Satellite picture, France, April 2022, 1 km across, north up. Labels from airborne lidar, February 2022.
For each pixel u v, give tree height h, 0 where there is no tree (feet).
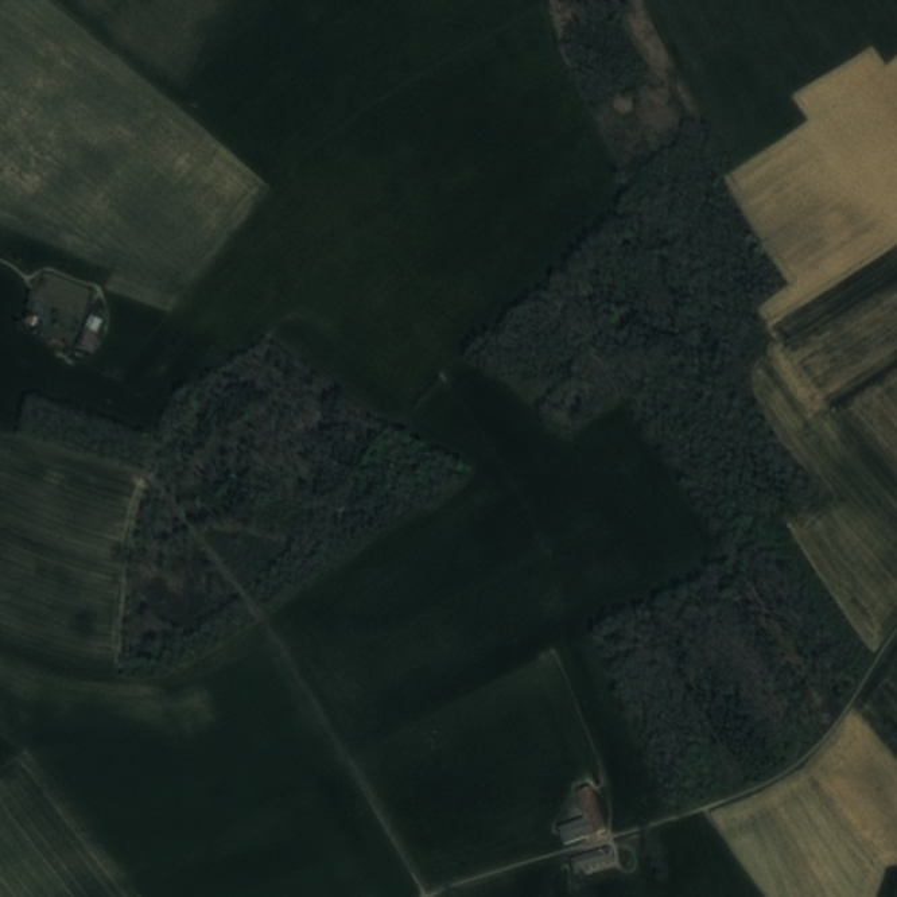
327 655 0
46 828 0
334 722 0
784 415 0
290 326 0
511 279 0
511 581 0
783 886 0
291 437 63
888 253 0
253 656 0
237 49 0
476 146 0
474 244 0
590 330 66
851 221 0
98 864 0
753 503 65
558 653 0
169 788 0
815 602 29
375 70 0
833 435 0
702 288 49
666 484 0
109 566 0
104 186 0
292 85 0
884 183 0
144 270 0
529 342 70
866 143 0
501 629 0
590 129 0
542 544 0
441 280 0
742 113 0
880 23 0
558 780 0
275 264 0
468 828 0
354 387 0
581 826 0
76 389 0
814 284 0
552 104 0
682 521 0
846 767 0
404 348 0
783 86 0
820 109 0
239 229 0
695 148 47
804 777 0
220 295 0
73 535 0
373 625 0
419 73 0
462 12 0
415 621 0
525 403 0
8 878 0
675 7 0
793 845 0
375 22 0
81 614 0
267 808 0
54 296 0
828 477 0
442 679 0
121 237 0
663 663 101
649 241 44
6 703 0
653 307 60
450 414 0
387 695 0
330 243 0
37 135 0
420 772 0
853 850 0
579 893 0
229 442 73
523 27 0
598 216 0
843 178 0
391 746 0
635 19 0
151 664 54
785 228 0
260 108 0
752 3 0
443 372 0
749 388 35
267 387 47
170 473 53
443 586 0
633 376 87
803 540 0
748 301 60
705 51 0
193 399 51
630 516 0
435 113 0
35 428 59
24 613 0
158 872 0
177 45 0
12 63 0
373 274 0
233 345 0
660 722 93
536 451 0
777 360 0
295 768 0
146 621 68
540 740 0
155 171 0
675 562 0
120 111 0
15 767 0
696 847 0
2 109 0
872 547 0
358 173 0
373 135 0
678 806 64
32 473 0
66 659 0
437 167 0
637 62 38
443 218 0
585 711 0
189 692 0
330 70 0
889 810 0
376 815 0
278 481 51
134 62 0
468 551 0
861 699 0
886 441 0
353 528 41
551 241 0
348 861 0
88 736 0
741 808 0
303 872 0
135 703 0
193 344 0
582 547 0
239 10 0
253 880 0
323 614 0
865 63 0
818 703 81
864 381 0
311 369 65
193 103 0
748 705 88
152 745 0
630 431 0
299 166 0
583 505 0
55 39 0
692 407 48
